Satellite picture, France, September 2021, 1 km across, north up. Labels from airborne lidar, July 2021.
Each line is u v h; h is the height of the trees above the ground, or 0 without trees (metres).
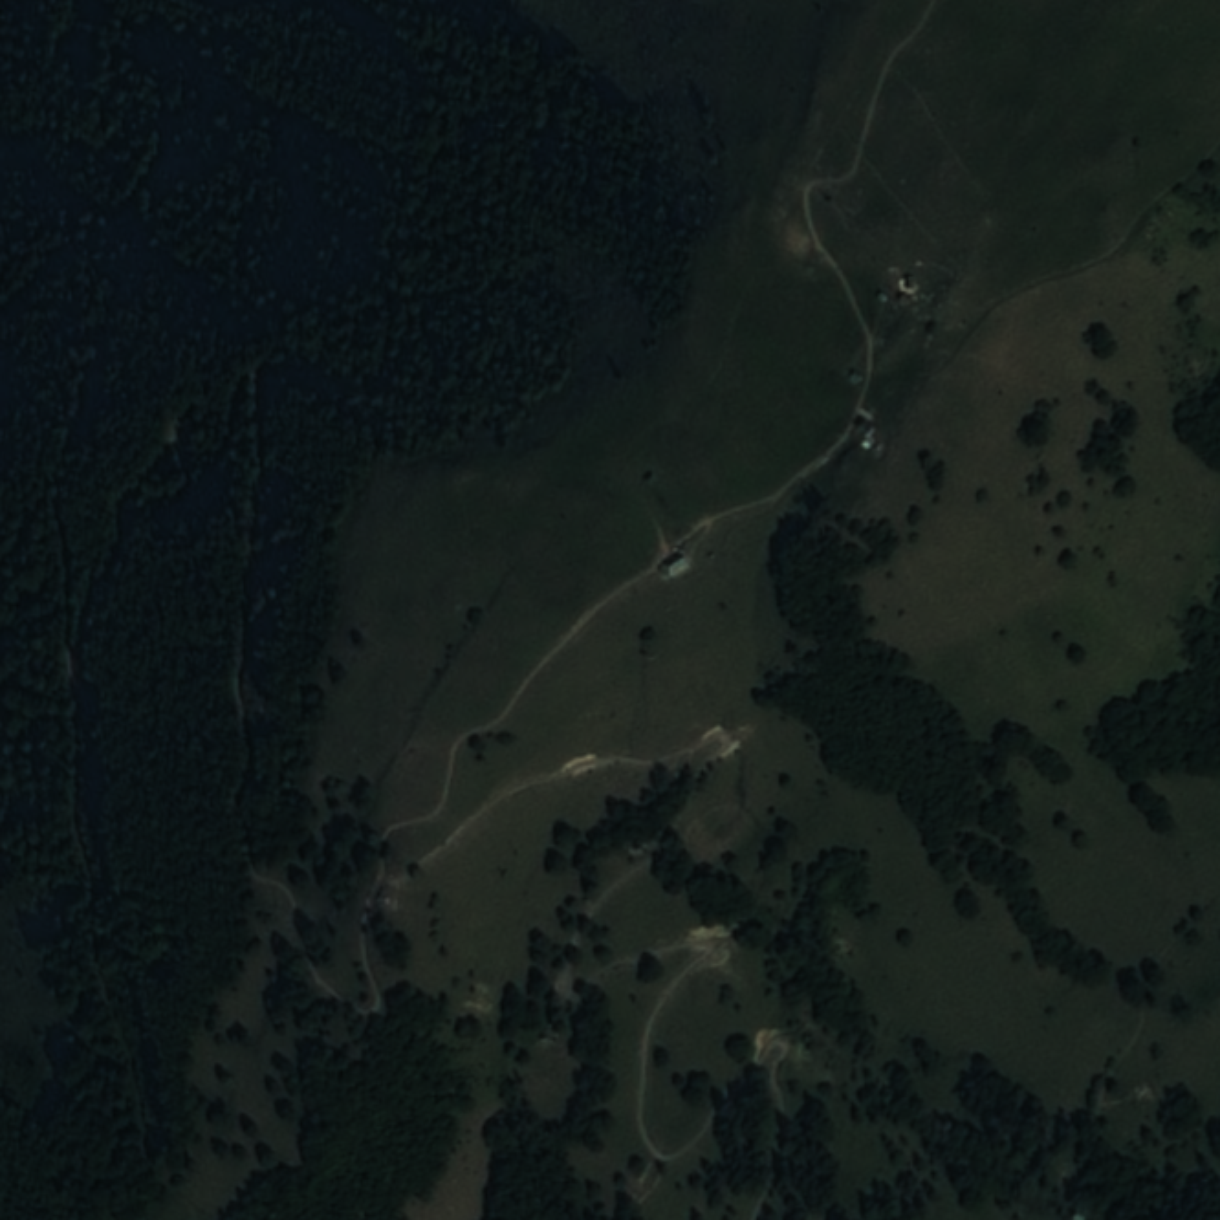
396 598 0
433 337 14
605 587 0
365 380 6
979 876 17
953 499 0
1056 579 0
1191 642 8
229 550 22
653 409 0
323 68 25
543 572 0
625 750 0
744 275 0
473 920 0
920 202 0
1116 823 0
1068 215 0
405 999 12
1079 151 0
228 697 15
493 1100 0
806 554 6
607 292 0
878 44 0
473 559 0
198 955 14
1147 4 0
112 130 20
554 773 0
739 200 0
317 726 8
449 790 0
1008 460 0
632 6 0
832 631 13
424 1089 16
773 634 0
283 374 13
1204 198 9
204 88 22
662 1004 0
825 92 0
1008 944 0
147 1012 21
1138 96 0
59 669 20
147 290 30
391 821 0
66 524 22
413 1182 19
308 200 23
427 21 16
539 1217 22
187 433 10
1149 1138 15
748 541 0
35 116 21
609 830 9
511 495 0
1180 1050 0
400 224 15
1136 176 0
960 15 0
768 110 0
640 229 19
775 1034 0
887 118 0
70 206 18
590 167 13
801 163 0
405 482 0
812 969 17
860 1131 0
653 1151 0
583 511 0
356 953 0
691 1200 0
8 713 6
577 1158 0
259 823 14
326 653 9
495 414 11
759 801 0
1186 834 0
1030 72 0
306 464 22
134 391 27
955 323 0
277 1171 11
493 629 0
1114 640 0
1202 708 24
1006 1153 21
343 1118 14
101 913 10
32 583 27
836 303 0
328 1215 19
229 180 23
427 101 23
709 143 0
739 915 23
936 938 0
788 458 0
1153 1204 20
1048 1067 0
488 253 10
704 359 0
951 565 0
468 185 13
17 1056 0
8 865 8
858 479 0
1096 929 0
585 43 0
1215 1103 0
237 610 16
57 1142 19
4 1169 18
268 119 24
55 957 19
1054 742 0
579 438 0
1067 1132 22
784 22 0
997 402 0
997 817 21
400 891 0
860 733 16
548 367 8
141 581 17
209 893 15
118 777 22
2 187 27
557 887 0
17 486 18
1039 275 0
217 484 20
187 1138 15
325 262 23
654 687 0
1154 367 0
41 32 26
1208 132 0
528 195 7
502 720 0
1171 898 0
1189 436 20
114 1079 16
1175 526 0
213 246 27
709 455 0
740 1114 22
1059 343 0
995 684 0
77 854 18
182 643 21
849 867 17
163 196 22
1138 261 0
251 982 0
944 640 0
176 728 22
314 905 0
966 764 20
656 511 0
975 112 0
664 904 0
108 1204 17
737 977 0
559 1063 0
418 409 16
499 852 0
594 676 0
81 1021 15
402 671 0
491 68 14
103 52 19
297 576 20
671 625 0
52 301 21
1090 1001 0
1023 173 0
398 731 0
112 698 21
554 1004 13
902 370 0
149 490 22
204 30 15
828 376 0
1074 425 0
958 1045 0
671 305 9
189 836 18
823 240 0
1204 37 0
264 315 13
